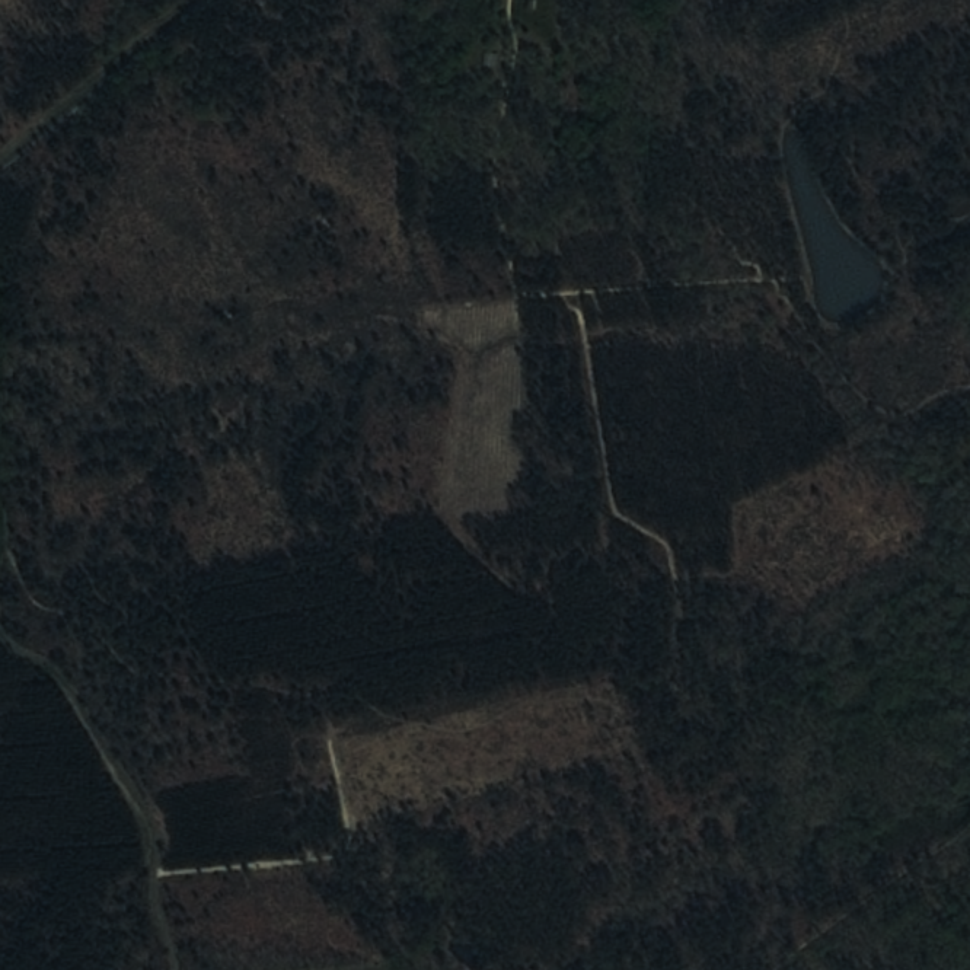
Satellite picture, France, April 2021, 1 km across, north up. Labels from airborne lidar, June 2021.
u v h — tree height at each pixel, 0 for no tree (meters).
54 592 13
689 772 9
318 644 15
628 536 12
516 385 0
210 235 0
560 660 16
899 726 19
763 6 23
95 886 11
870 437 13
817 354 16
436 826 6
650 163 20
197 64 14
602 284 13
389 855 22
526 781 10
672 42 15
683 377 12
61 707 13
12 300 11
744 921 28
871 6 9
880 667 22
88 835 14
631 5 11
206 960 8
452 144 18
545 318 10
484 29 11
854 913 10
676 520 12
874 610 13
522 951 27
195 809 8
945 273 14
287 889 10
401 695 21
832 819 16
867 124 21
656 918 13
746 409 15
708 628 19
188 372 0
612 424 14
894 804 18
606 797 25
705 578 11
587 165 23
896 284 17
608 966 20
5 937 11
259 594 13
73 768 17
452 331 0
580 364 10
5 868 13
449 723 0
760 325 8
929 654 24
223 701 14
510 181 14
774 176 23
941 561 19
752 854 23
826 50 0
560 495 20
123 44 14
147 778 6
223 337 7
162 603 14
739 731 25
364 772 0
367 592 16
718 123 12
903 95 12
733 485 10
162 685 17
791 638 16
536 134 16
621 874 19
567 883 23
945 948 17
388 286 17
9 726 11
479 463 0
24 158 11
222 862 6
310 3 14
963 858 14
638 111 18
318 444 12
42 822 14
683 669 14
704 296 18
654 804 29
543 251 10
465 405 0
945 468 7
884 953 11
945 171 8
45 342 11
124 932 8
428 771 0
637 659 21
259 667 18
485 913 26
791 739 15
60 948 12
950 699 24
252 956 10
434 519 16
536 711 0
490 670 18
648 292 13
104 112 14
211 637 17
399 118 16
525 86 12
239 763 13
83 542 12
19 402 9
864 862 16
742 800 12
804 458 13
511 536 11
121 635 13
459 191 15
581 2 10
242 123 11
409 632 17
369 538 17
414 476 8
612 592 17
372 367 14
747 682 7
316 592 17
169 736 10
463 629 15
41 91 17
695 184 25
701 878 9
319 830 13
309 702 16
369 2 9
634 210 15
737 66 16
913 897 16
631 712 10
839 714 16
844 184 15
